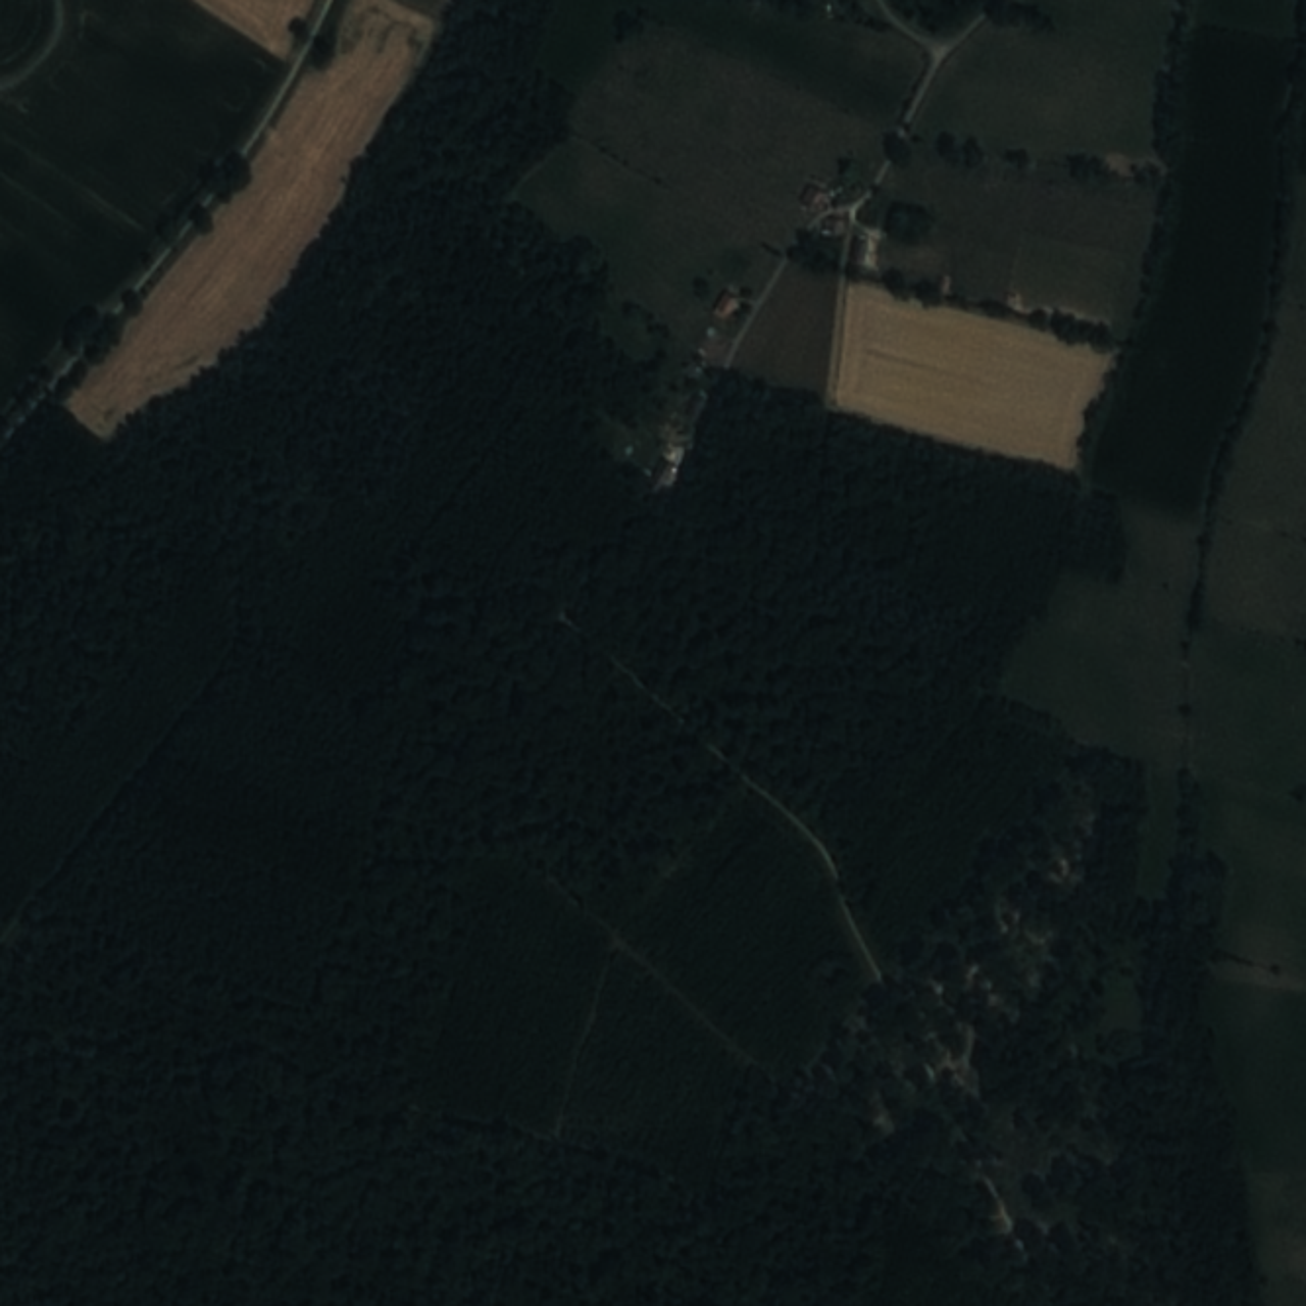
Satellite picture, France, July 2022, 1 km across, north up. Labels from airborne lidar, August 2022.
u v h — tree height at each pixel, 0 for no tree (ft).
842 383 0
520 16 49
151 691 48
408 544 43
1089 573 41
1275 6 0
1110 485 0
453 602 96
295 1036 61
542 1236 54
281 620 36
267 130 0
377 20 0
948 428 0
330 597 44
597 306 37
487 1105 23
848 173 42
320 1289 79
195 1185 92
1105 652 0
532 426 60
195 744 68
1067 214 0
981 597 49
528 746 76
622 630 68
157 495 57
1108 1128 69
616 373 42
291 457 65
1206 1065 68
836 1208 43
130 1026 36
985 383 0
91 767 47
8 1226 63
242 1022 30
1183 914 90
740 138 0
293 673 66
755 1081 28
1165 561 0
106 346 50
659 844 90
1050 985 45
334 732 65
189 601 45
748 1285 72
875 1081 67
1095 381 0
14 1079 68
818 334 0
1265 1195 0
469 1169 64
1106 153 0
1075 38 0
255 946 65
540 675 76
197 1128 26
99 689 64
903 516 51
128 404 0
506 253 65
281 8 0
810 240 51
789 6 58
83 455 63
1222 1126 68
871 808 50
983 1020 82
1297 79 52
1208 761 0
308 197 0
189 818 69
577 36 0
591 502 50
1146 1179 86
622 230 0
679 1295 58
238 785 59
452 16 52
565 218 0
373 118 0
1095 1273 85
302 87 0
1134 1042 19
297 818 86
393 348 39
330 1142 73
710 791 69
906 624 90
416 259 62
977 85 0
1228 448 42
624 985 17
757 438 47
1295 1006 0
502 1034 19
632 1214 77
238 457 62
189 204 24
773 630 89
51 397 42
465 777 67
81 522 107
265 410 65
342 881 76
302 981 58
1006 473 39
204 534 68
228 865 69
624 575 60
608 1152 65
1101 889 82
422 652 88
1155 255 47
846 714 53
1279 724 0
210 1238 69
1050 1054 62
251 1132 68
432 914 67
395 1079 79
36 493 72
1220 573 0
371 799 57
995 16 63
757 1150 28
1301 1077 0
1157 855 0
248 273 0
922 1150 80
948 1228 80
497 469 58
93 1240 71
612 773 41
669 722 52
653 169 0
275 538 63
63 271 0
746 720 68
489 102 40
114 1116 61
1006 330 0
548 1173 40
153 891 60
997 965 88
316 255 54
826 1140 37
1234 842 0
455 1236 76
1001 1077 62
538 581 68
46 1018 41
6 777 43
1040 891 78
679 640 80
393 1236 68
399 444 71
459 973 19
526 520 68
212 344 0
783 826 21
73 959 41
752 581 66
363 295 88
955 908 73
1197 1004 70
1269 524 0
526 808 87
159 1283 71
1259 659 0
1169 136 66
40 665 47
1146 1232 75
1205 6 0
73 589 52
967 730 20
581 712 74
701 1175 23
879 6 0
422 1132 28
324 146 0
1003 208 0
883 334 0
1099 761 62
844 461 66
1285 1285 0
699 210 0
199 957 59
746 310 30
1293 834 0
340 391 58
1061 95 0
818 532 51
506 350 36
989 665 65
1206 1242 65
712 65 0
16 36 0
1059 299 0
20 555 28
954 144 61
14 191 0
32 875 34
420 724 52
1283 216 45
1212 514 22
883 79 0
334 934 39
